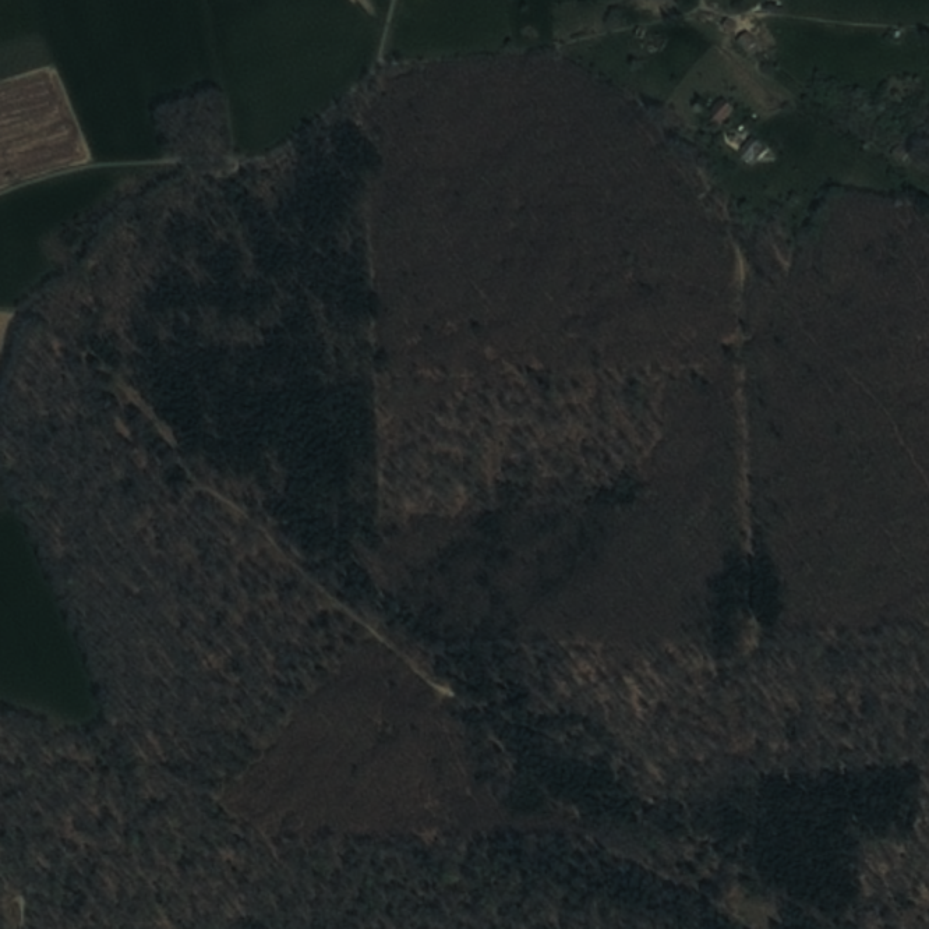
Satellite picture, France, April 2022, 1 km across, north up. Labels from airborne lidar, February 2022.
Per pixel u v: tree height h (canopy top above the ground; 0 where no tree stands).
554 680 26
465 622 15
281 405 23
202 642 34
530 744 24
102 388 34
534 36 0
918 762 31
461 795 10
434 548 15
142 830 28
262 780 9
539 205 9
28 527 28
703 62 0
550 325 13
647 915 24
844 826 20
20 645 0
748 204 12
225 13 0
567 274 12
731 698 31
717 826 24
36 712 0
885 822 21
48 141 0
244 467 14
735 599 22
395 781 9
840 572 14
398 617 27
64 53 0
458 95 13
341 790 9
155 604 33
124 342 19
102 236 24
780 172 0
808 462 12
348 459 21
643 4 0
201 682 35
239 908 29
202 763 30
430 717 13
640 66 14
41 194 0
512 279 16
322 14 0
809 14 0
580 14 0
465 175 12
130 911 25
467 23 0
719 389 10
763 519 18
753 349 14
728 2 0
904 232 15
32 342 34
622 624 15
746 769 27
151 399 20
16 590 0
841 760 27
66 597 33
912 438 12
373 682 10
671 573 15
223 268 23
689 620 17
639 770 20
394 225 15
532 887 27
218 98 25
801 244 22
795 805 21
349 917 26
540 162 14
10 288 0
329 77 0
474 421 29
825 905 23
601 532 16
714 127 8
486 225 15
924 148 29
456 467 23
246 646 32
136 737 35
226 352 20
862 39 0
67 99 0
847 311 15
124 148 0
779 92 0
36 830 27
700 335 15
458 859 24
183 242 24
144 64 0
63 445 37
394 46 0
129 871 31
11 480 29
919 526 14
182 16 0
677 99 0
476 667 18
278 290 18
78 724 0
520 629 16
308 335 20
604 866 12
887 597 12
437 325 9
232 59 0
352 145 24
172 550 36
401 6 0
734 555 17
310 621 26
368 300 20
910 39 0
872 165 0
